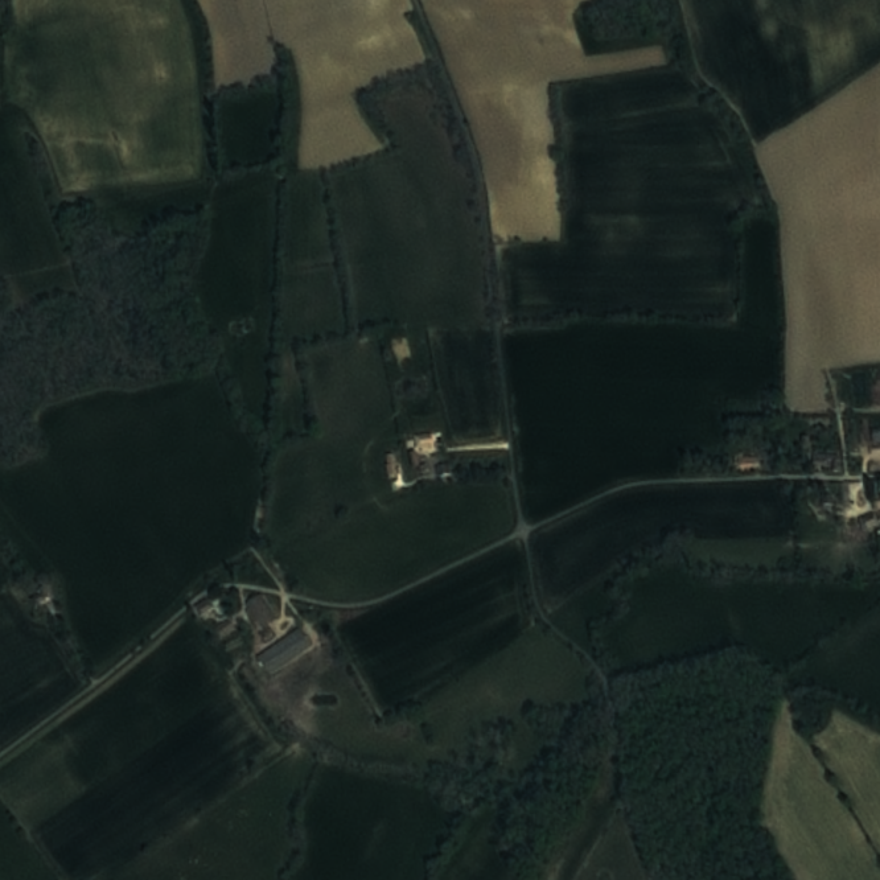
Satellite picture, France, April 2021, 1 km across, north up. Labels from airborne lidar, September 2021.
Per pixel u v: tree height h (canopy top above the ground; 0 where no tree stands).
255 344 0
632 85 0
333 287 0
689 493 0
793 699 16
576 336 0
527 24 0
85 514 0
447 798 19
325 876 0
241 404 15
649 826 24
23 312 13
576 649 13
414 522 0
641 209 0
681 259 0
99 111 0
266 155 0
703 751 23
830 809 0
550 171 0
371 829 0
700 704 23
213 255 0
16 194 0
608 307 0
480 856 0
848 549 0
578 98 0
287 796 0
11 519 0
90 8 0
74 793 0
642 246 0
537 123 0
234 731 0
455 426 0
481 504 0
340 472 0
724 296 0
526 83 0
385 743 0
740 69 0
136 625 0
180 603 0
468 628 0
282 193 10
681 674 24
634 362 0
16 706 0
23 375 16
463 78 0
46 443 12
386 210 0
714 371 0
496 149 0
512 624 0
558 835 30
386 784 0
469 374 0
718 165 0
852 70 0
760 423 17
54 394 13
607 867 0
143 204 0
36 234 0
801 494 18
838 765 0
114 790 0
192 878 0
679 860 24
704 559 0
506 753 22
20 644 0
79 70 0
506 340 0
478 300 0
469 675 0
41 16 0
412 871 0
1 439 16
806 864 0
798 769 0
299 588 13
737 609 0
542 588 0
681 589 0
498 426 0
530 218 0
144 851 9
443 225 0
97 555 0
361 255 0
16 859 0
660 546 8
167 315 20
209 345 23
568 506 0
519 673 0
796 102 0
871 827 0
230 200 0
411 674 0
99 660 0
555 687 0
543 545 0
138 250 10
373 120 17
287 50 10
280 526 0
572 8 0
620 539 0
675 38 15
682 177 0
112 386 14
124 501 0
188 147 0
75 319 16
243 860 0
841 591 0
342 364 0
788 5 0
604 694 16
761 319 0
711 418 0
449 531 0
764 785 11
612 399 0
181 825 0
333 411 0
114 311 19
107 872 0
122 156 0
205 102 0
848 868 0
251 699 14
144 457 0
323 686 0
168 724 0
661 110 0
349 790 0
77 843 0
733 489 0
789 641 0
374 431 0
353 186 0
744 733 23
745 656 21
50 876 0
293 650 0
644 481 0
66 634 11
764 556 0
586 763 29
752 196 0
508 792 18
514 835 30
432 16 0
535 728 15
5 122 0
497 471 14
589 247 0
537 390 0
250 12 0
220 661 0
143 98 0
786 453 16
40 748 0
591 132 0
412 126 0
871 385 0
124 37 0
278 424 15
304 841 15
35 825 0
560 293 0
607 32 17
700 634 0
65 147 0
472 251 0
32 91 0
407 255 0
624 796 19
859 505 0
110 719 0
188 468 0
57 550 0
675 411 0
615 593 17
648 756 21
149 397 0
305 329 0
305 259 0
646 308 0
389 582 0
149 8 0
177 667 0
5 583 0
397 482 0
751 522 0
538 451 0
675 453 0
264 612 0
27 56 0
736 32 0
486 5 0
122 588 0
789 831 0
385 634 0
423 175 0
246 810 0
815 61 0
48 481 0
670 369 0
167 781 0
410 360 0
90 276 17
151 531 0
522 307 0
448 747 0
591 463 0
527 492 0
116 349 13
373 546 0
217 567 0
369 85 0
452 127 14
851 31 0
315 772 7
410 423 0
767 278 0
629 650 0
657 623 0
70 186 0
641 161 0
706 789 24
